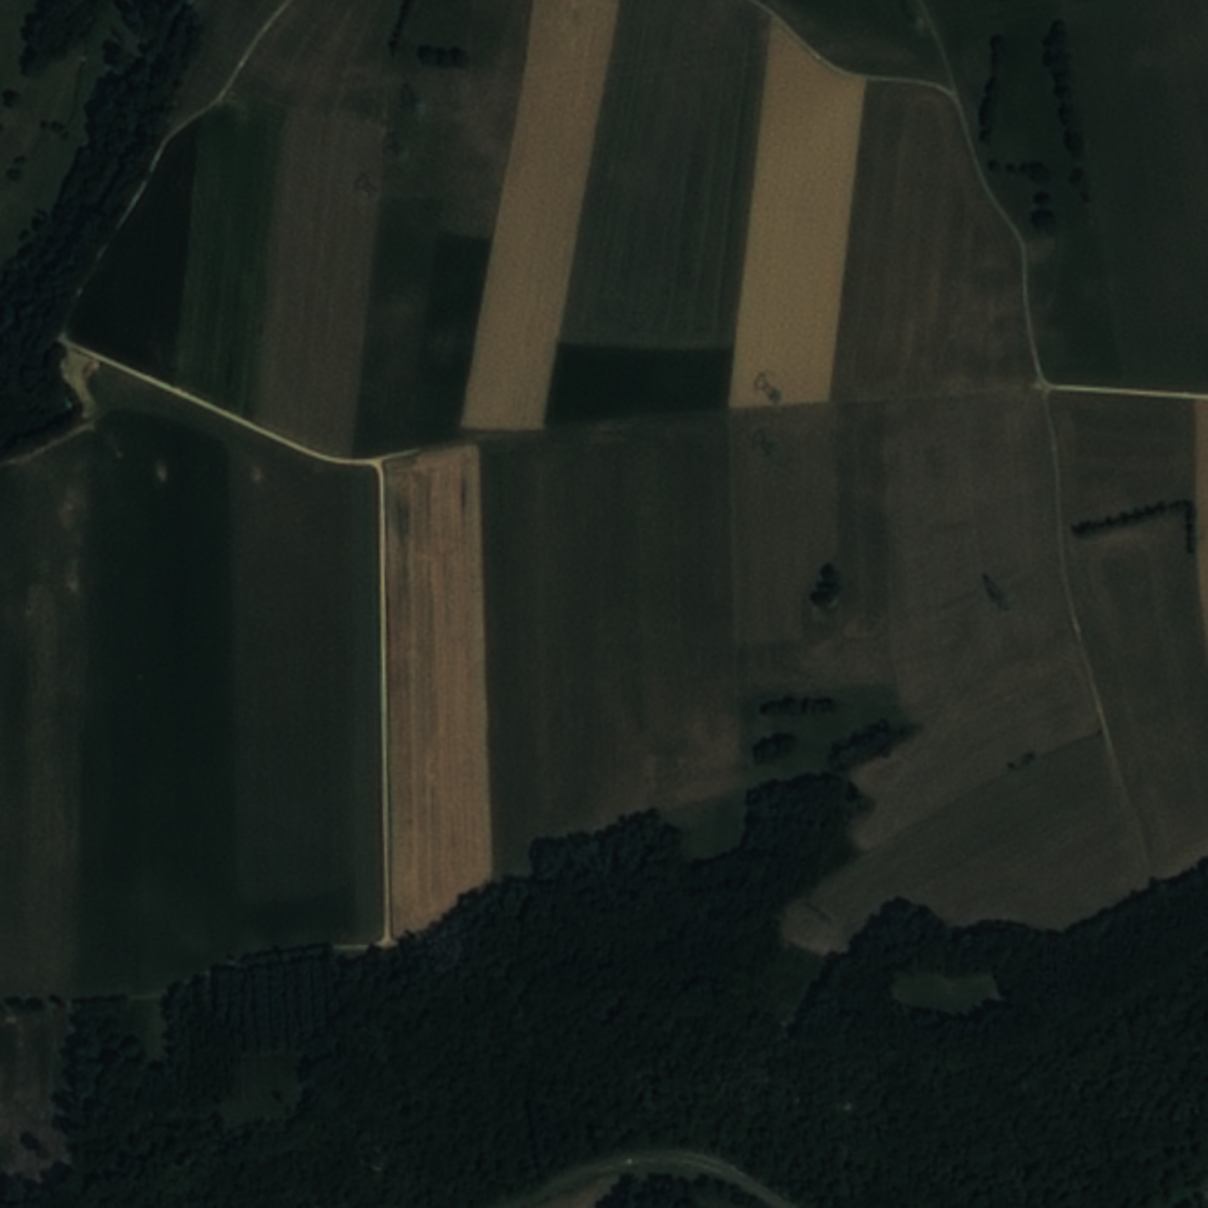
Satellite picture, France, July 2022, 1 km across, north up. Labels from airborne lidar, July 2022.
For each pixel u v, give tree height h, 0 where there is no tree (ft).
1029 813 0
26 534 0
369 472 0
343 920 0
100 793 0
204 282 0
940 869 0
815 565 0
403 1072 103
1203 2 0
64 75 0
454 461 0
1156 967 56
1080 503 0
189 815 0
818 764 0
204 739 0
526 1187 82
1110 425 0
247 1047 45
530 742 0
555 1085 88
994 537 0
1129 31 0
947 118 0
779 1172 56
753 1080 41
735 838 0
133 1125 71
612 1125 76
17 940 0
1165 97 0
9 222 0
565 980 80
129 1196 67
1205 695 0
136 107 76
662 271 0
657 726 0
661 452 0
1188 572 0
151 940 0
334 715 0
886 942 66
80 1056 70
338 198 0
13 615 0
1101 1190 95
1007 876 0
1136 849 0
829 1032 70
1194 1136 110
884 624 0
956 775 0
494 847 0
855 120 0
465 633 0
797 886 72
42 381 60
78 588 0
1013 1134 48
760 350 0
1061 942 59
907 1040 73
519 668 0
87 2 61
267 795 0
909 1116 30
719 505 0
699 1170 0
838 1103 31
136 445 0
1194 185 0
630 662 0
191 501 0
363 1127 90
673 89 0
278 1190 54
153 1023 0
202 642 0
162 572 0
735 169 0
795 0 0
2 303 21
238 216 0
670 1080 73
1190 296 0
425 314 0
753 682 0
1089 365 0
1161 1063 73
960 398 0
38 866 0
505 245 0
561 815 0
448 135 0
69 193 31
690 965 85
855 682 0
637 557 0
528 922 73
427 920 0
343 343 0
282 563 0
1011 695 0
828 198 0
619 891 82
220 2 0
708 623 0
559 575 0
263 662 0
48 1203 88
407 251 0
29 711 0
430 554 0
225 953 0
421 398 0
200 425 0
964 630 0
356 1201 71
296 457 0
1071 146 40
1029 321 0
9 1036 0
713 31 0
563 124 0
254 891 0
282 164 0
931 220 0
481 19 0
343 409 0
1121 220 0
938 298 0
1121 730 0
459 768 0
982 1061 65
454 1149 65
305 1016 52
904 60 0
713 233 0
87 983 0
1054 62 61
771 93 0
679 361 0
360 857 0
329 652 0
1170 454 0
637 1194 72
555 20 0
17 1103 0
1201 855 0
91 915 0
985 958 90
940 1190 84
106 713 0
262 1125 40
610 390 0
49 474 0
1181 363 0
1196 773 0
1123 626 0
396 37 28
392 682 0
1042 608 0
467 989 83
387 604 0
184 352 0
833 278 0
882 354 0
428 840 0
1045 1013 65
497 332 0
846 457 0
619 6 0
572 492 0
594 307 0
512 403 0
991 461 0
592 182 0
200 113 0
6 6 0
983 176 0
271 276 0
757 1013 20
